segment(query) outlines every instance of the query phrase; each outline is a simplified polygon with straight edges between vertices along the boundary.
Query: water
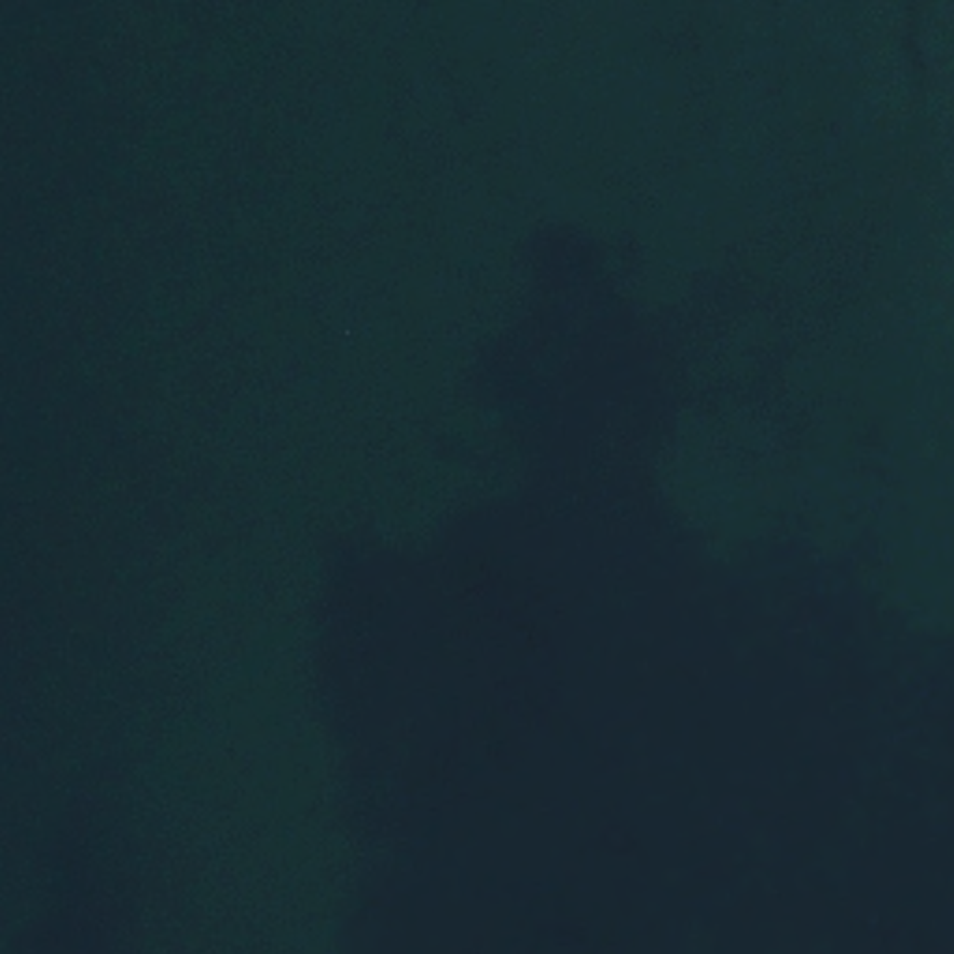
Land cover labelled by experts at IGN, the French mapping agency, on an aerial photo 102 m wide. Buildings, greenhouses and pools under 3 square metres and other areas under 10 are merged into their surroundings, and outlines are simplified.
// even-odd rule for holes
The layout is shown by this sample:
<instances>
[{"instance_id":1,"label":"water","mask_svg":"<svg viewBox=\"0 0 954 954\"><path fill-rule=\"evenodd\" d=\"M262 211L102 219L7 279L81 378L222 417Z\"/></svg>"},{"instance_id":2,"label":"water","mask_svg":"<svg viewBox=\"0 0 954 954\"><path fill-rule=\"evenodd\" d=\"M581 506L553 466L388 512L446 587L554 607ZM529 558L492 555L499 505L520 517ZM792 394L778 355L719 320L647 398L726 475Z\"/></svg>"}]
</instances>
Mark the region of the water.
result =
<instances>
[{"instance_id":1,"label":"water","mask_svg":"<svg viewBox=\"0 0 954 954\"><path fill-rule=\"evenodd\" d=\"M0 0L0 954L954 954L954 0Z\"/></svg>"}]
</instances>

